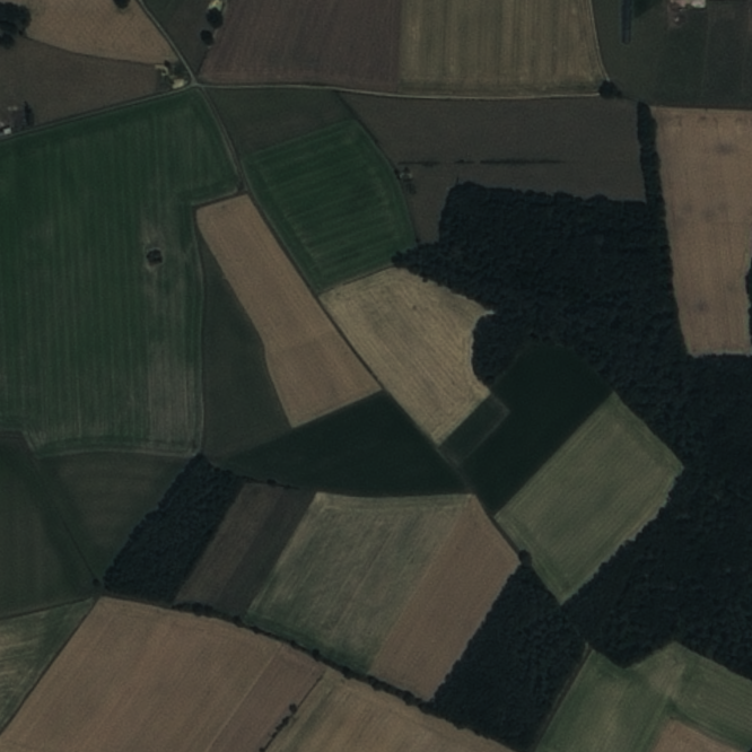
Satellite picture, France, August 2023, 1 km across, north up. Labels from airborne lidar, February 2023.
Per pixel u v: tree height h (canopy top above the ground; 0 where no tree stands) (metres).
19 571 0
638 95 0
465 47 0
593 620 17
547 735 0
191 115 0
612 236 21
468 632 0
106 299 0
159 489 0
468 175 0
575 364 0
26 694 0
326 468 0
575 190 0
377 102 0
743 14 0
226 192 0
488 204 15
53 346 0
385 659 0
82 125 0
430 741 0
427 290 0
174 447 0
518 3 0
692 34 0
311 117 0
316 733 0
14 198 0
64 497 0
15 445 0
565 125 0
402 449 0
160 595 13
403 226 0
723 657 11
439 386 0
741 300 0
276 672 0
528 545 0
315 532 0
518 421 0
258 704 0
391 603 0
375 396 0
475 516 0
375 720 0
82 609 0
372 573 0
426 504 0
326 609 0
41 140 0
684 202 0
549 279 8
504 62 0
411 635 0
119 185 0
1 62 0
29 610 0
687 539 7
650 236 20
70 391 0
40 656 0
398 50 0
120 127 0
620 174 0
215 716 0
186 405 0
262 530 0
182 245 0
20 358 0
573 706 0
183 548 17
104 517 0
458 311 0
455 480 0
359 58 0
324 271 0
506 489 0
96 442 0
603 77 0
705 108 0
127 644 0
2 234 0
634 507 0
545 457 0
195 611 14
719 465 20
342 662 0
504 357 17
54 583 0
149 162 0
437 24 0
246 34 0
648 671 0
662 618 12
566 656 19
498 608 13
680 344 17
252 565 0
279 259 0
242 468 0
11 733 0
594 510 0
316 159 0
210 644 0
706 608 16
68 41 0
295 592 0
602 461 0
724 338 0
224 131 0
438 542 0
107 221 0
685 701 0
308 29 0
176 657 0
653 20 0
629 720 0
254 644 0
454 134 0
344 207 0
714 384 20
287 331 0
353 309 0
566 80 0
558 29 0
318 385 0
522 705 19
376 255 0
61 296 0
